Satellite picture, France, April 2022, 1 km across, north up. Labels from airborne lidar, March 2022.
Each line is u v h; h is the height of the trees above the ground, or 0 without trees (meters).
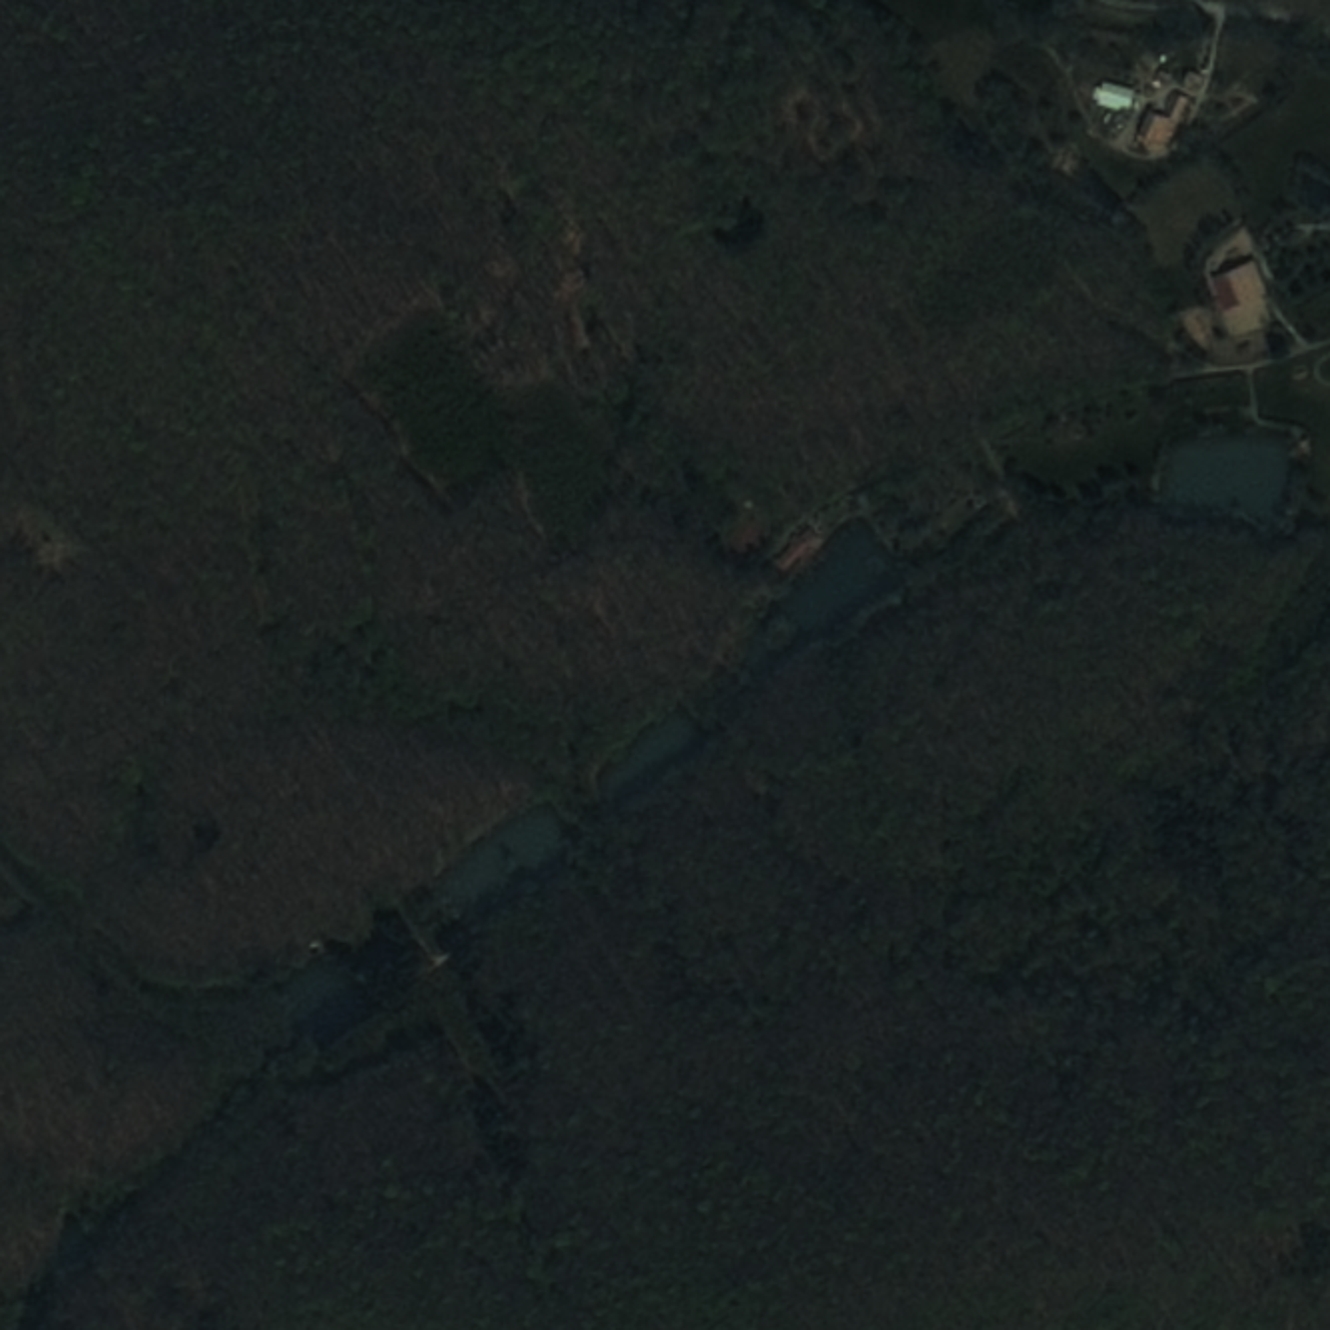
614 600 27
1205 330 0
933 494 31
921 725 22
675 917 22
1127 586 24
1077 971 26
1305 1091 32
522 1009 27
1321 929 30
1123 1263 21
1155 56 13
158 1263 31
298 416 28
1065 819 23
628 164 26
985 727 22
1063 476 0
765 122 23
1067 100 0
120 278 23
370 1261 25
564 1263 33
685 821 21
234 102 26
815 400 27
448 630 26
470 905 0
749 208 23
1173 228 0
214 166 26
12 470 26
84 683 26
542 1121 30
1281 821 24
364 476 27
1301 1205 21
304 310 28
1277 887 23
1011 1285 20
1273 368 0
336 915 23
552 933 27
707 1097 28
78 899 16
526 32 28
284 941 25
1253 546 20
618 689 23
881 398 25
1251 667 16
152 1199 22
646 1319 22
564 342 33
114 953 17
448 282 27
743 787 24
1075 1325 18
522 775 24
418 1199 25
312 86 26
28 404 25
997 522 6
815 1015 32
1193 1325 23
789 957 29
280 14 30
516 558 28
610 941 26
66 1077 20
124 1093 23
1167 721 30
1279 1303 25
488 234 35
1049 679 21
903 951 22
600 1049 29
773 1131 24
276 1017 19
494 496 30
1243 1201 23
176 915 22
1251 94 0
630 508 27
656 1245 23
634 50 26
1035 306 24
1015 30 20
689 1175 26
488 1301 25
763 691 23
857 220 28
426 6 30
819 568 0
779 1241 24
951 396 27
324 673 24
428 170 32
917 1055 31
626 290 34
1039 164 23
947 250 21
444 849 25
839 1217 27
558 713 20
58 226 25
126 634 29
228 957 28
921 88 20
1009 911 28
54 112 32
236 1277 26
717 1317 20
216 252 23
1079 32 23
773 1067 23
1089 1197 29
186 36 31
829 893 28
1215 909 23
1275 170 0
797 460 24
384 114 26
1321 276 12
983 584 20
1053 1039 35
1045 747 21
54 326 26
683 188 27
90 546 25
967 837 23
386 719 29
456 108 25
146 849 23
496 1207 31
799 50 30
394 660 20
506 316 30
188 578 27
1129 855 24
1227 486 0
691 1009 26
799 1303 23
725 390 29
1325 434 0
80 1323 23
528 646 23
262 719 23
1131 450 0
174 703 25
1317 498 14
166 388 23
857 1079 26
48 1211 22
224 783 24
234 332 25
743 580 23
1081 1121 34
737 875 23
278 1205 28
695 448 29
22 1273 20
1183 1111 32
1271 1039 33
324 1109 29
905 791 22
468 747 27
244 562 30
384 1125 29
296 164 24
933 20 0
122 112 33
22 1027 21
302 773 24
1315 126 0
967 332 23
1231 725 19
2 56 32
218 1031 19
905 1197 26
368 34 29
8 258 26
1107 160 0
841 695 16
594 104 20
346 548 28
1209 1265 21
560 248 37
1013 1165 31
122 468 23
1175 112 0
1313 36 25
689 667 23
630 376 23
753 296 26
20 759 22
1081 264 19
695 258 25
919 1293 19
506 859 16
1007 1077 35
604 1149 28
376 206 33
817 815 25
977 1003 32
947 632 22
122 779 18
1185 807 17
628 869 23
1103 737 19
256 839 20
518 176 33
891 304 24
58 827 22
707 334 21
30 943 20
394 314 29
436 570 30
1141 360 26
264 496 24
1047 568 21
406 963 32
